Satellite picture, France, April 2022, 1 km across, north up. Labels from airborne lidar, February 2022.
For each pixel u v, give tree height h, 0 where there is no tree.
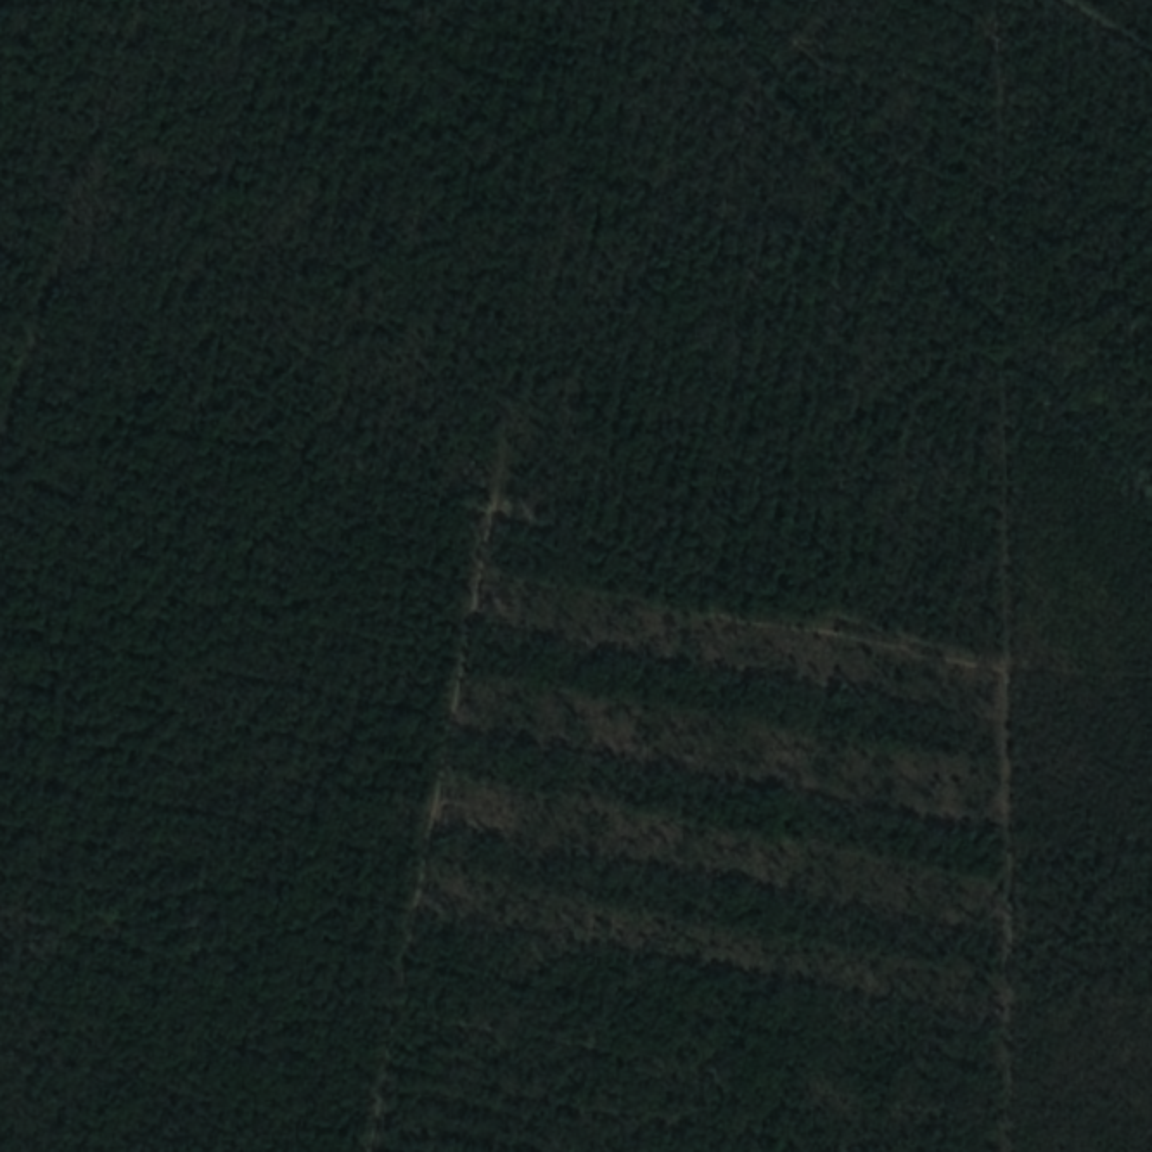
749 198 9
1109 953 15
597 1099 18
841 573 18
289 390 13
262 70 18
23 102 21
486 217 18
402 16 18
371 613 16
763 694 16
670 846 17
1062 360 16
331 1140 20
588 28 19
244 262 9
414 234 18
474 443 17
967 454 17
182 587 16
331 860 20
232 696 18
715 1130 18
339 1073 21
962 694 17
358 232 19
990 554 18
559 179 19
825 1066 19
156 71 17
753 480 24
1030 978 16
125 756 20
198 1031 21
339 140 19
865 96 22
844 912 14
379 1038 17
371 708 20
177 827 19
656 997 18
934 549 6
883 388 20
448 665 18
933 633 15
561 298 17
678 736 17
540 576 16
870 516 19
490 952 16
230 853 19
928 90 17
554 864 17
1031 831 9
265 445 13
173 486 17
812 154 21
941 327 19
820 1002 19
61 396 15
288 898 18
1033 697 7
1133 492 12
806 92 7
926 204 19
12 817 17
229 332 19
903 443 19
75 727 19
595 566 16
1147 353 15
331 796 22
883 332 16
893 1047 12
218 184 18
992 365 18
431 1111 22
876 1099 16
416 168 17
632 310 18
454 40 21
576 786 16
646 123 17
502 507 0
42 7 20
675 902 17
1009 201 16
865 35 22
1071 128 8
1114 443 11
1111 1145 10
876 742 19
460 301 17
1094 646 16
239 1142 16
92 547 19
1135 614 13
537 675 15
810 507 21
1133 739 10
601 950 12
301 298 18
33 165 18
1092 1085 10
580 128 21
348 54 19
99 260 17
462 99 22
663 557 18
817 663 0
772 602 18
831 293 19
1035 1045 9
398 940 20
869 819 18
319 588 19
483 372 18
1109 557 11
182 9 15
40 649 22
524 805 18
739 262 19
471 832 15
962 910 16
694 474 11
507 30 9
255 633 19
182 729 19
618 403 22
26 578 21
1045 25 8
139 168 17
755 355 22
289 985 21
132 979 21
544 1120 18
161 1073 16
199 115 18
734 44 20
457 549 18
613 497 21
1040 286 14
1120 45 15
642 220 21
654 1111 17
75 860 17
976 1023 16
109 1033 16
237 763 16
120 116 12
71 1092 14
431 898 19
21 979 19
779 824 22
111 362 17
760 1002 20
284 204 20
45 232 19
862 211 21
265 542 20
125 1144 16
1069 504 15
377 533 19
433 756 12
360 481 12
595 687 17
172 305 18
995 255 19
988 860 20
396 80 21
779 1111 8
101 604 20
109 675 20
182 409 19
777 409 19
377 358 18
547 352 20
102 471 20
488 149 19
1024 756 10
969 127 18
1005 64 18
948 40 22
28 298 19
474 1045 16
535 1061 18
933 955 14
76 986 19
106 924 18
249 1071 19
